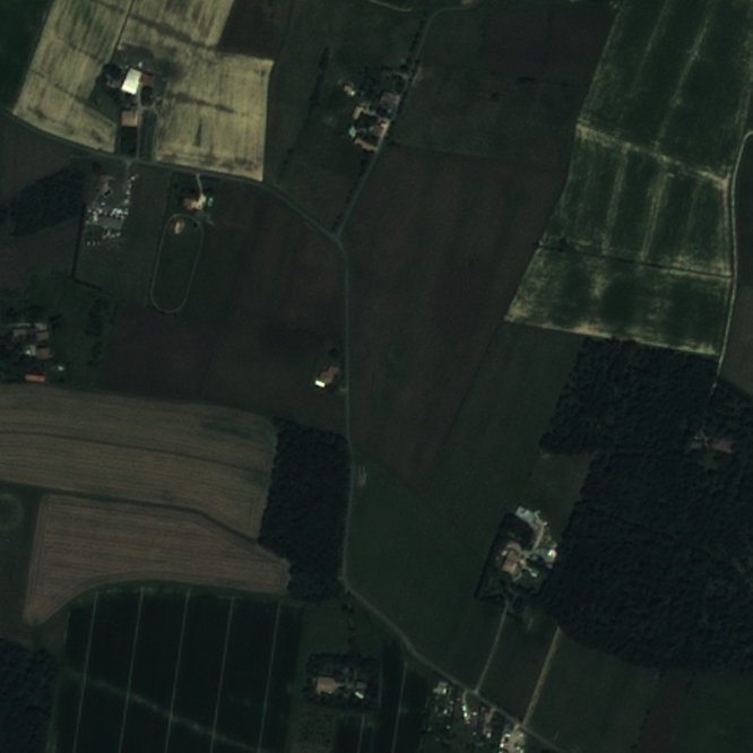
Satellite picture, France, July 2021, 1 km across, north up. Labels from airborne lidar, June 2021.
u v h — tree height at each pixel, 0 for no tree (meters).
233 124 0
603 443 9
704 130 0
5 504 0
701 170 0
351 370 0
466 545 0
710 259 0
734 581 18
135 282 0
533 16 0
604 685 0
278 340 0
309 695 9
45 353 0
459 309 0
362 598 0
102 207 0
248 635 0
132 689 0
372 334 0
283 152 0
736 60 0
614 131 0
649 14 0
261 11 0
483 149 0
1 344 9
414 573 0
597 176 0
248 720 0
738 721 0
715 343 0
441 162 0
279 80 0
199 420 0
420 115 0
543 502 0
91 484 0
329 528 14
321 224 0
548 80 0
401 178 0
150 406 0
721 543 14
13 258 0
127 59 0
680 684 0
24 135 0
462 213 0
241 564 0
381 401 0
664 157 0
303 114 0
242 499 0
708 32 0
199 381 0
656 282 0
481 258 0
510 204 0
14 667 17
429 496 0
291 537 13
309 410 0
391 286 0
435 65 0
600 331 0
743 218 0
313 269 0
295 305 0
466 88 0
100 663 0
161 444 0
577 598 11
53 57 0
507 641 0
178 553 0
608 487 11
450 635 0
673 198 0
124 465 0
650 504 14
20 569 0
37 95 0
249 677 0
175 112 0
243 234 0
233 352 0
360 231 0
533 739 0
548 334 0
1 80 0
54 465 0
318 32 0
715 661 22
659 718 0
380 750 0
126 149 0
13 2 0
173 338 0
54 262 0
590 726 0
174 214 0
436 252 0
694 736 0
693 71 0
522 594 10
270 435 0
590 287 0
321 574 13
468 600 0
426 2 0
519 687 0
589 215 0
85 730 0
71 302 0
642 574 14
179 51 0
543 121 0
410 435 0
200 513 0
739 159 0
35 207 7
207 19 0
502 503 0
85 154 0
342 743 0
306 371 0
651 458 13
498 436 0
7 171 0
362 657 7
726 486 7
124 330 0
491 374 0
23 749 13
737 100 0
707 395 12
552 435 12
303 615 0
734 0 0
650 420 9
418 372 0
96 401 0
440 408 0
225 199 0
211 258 0
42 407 0
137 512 0
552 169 0
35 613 0
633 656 14
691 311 0
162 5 0
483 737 8
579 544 8
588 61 0
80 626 0
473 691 0
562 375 0
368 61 0
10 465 0
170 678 0
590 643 14
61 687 0
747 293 0
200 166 0
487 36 0
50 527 0
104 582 0
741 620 16
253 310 0
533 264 0
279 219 0
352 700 9
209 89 0
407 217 0
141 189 0
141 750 0
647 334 0
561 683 0
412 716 0
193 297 0
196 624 0
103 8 0
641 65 0
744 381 0
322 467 14
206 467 0
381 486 0
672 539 18
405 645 0
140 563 0
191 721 0
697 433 15
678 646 16
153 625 0
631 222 0
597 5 0
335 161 0
